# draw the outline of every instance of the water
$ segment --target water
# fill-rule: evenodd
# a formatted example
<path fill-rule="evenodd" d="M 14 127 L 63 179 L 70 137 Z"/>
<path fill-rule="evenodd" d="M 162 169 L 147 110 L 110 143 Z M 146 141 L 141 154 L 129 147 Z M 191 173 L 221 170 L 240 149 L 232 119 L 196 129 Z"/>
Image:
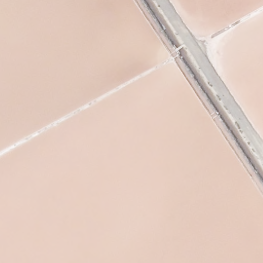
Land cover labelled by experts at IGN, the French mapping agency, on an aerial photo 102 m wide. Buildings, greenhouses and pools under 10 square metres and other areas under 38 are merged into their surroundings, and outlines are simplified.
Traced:
<path fill-rule="evenodd" d="M 0 151 L 130 78 L 152 67 L 156 70 L 0 157 L 0 263 L 263 263 L 263 199 L 247 177 L 246 168 L 242 170 L 238 164 L 240 160 L 224 136 L 219 135 L 208 117 L 209 112 L 195 95 L 176 62 L 163 66 L 167 58 L 171 58 L 171 54 L 143 12 L 138 10 L 131 0 L 0 0 Z"/>
<path fill-rule="evenodd" d="M 143 0 L 166 39 L 178 48 L 180 59 L 263 184 L 263 171 L 151 0 Z"/>
<path fill-rule="evenodd" d="M 223 69 L 219 75 L 263 140 L 263 12 L 233 30 L 220 41 L 217 48 L 218 59 Z"/>
<path fill-rule="evenodd" d="M 263 6 L 263 0 L 170 0 L 195 38 L 208 35 L 215 38 L 228 29 L 229 25 L 237 25 L 240 17 Z"/>

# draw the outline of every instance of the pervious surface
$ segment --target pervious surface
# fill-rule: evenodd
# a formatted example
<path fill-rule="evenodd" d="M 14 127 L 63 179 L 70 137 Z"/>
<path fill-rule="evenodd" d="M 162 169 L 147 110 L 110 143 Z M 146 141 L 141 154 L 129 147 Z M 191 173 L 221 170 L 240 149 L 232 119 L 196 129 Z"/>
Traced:
<path fill-rule="evenodd" d="M 218 59 L 217 48 L 220 41 L 233 30 L 263 12 L 263 6 L 240 17 L 237 25 L 229 25 L 228 29 L 215 38 L 208 35 L 195 38 L 170 0 L 151 0 L 263 171 L 263 140 L 219 75 L 223 69 Z"/>
<path fill-rule="evenodd" d="M 263 199 L 263 184 L 180 59 L 178 48 L 166 39 L 143 0 L 131 0 L 138 10 L 143 12 L 171 54 L 171 58 L 167 58 L 163 66 L 176 62 L 195 95 L 209 112 L 208 117 L 219 135 L 224 136 L 240 160 L 238 164 L 242 170 L 246 168 L 247 177 Z"/>
<path fill-rule="evenodd" d="M 0 151 L 0 157 L 156 70 L 152 67 L 130 78 Z"/>

